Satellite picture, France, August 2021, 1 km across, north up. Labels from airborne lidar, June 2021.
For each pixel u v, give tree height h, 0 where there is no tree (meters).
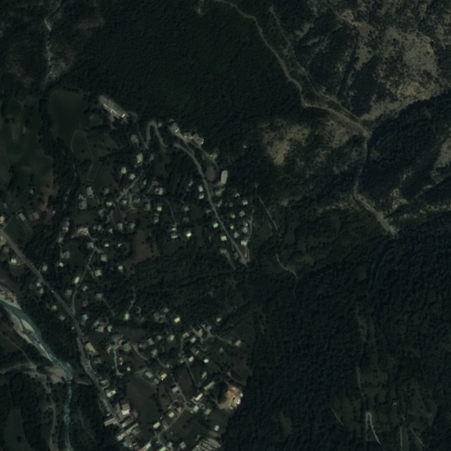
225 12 11
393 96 8
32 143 0
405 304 9
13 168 11
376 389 7
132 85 12
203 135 6
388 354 6
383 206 8
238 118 15
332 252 10
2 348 10
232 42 13
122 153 7
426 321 7
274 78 9
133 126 20
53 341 9
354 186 7
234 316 8
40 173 0
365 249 9
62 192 11
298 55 6
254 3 10
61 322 8
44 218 9
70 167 20
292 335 13
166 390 6
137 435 8
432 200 10
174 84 7
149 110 12
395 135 8
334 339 20
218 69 8
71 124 0
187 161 17
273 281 12
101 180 0
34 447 18
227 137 13
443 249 8
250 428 12
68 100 0
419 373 14
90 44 14
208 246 8
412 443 7
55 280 14
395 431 7
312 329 24
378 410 6
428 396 8
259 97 14
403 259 9
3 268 8
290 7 9
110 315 8
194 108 7
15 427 0
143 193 13
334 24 7
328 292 16
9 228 0
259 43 8
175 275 6
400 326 7
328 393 17
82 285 8
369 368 19
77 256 0
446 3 11
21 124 0
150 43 14
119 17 13
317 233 8
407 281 11
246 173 14
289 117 10
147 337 6
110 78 19
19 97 10
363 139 8
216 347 8
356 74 9
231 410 0
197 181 16
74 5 10
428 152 6
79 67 20
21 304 6
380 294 14
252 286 10
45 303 18
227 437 14
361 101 9
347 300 16
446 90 8
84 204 0
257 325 13
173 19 13
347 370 13
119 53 11
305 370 11
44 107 15
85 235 0
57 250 12
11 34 14
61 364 0
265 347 13
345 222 6
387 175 10
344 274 17
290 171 10
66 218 8
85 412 9
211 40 12
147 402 0
